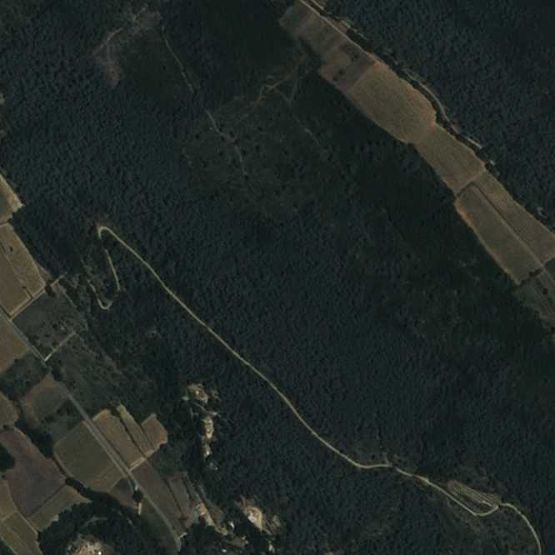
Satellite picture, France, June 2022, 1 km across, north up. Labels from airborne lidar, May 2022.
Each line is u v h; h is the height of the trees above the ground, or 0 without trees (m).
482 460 19
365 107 0
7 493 0
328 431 15
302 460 19
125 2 13
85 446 0
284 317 11
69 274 12
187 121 18
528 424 9
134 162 18
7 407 0
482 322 9
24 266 0
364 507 20
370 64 0
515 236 0
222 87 8
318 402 16
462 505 0
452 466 8
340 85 0
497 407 13
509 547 14
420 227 14
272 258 18
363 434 21
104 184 20
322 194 6
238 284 16
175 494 0
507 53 10
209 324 20
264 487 24
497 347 21
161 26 12
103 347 9
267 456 18
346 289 20
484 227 0
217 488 19
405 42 19
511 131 20
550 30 5
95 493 12
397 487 17
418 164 22
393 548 20
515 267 0
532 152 19
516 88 15
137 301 11
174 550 0
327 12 12
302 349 17
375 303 8
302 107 7
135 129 17
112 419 0
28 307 0
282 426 19
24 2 9
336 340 14
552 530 18
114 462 0
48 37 17
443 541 21
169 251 12
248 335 16
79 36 10
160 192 20
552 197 11
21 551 0
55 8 16
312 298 16
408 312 12
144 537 6
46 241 17
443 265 13
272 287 19
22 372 0
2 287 0
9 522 0
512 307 17
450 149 0
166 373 14
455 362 7
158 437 0
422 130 0
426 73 18
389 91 0
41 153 14
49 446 11
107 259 17
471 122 18
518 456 14
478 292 7
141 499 14
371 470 7
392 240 10
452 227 16
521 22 7
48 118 15
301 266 22
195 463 18
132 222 18
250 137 15
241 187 10
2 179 0
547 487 18
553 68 13
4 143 13
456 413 16
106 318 11
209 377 13
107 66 0
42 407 0
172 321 16
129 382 6
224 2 7
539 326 18
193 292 18
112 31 6
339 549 24
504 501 15
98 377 9
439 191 19
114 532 20
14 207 0
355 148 21
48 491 0
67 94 21
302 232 20
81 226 17
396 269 21
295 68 0
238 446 20
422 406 21
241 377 12
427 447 21
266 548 16
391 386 19
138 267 20
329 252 21
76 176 19
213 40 6
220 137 0
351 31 12
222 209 20
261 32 10
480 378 21
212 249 18
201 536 12
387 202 14
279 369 16
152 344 18
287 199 0
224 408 19
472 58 21
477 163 0
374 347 21
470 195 0
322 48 0
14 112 18
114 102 19
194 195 20
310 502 17
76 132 18
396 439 19
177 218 20
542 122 20
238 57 6
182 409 13
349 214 18
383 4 19
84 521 6
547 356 12
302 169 16
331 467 18
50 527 10
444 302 8
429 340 13
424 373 19
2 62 17
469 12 15
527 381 5
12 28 9
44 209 19
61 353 0
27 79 22
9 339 0
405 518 8
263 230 11
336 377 17
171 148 17
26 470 0
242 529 14
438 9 16
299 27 0
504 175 18
